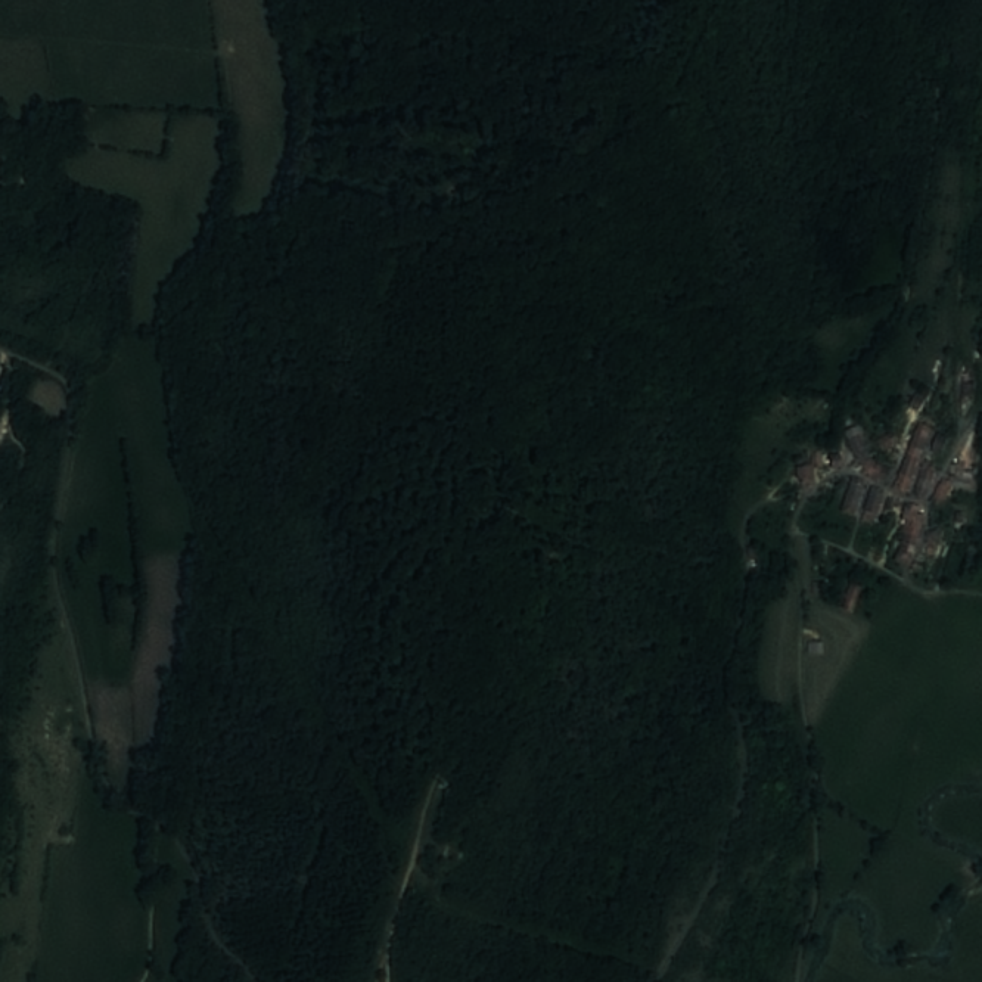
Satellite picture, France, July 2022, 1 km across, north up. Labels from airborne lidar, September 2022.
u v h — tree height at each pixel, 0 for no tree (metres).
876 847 15
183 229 0
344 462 9
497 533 21
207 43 0
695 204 22
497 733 18
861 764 0
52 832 0
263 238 18
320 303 23
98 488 0
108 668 0
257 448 8
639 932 16
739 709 24
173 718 22
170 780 22
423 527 21
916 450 0
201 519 6
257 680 14
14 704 10
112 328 8
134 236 20
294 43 23
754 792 18
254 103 0
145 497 0
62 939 0
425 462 28
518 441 25
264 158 0
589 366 33
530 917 18
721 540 21
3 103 20
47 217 21
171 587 0
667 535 18
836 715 0
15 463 9
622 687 18
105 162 0
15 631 14
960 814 0
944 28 21
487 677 21
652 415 22
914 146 14
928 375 0
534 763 7
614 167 21
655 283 25
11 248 9
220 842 12
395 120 26
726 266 23
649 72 21
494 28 27
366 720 23
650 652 20
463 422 24
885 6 28
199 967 12
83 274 6
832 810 13
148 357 0
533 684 19
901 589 0
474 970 11
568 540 15
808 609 8
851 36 27
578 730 19
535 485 27
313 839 13
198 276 18
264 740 21
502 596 20
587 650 7
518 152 19
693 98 18
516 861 9
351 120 12
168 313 11
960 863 0
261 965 9
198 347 10
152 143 0
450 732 19
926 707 0
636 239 28
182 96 0
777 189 13
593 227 24
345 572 19
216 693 20
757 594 15
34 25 0
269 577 11
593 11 28
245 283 12
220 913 8
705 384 23
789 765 13
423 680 22
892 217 23
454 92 30
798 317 18
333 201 27
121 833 0
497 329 21
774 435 0
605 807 15
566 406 23
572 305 24
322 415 11
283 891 12
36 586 12
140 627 9
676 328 27
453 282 14
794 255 22
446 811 10
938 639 0
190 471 18
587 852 17
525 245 25
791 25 15
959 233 5
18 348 6
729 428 18
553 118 27
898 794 0
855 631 0
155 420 0
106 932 0
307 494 9
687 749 27
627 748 26
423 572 17
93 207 18
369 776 14
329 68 23
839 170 29
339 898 14
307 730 17
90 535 7
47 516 7
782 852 6
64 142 16
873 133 25
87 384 12
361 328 19
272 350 16
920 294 0
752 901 16
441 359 14
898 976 0
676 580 20
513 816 9
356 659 18
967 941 0
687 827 13
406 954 6
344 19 25
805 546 0
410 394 13
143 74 0
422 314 13
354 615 17
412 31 32
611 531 21
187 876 0
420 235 24
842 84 23
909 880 0
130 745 0
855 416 6
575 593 23
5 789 16
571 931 22
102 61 0
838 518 0
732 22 15
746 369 27
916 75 14
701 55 15
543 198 25
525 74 30
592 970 17
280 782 12
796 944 12
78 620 0
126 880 0
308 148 27
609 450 25
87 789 0
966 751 0
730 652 16
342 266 26
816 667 0
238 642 19
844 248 31
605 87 23
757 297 20
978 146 6
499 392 23
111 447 0
